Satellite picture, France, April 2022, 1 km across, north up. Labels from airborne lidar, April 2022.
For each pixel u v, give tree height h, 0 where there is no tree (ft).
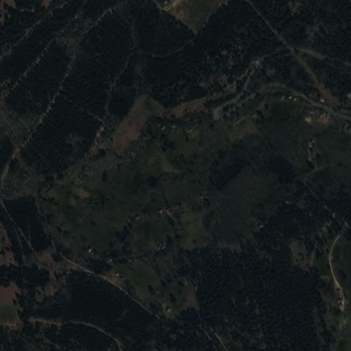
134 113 0
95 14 73
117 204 0
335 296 0
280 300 92
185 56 70
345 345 0
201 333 100
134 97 67
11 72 52
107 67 95
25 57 48
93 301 31
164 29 48
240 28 107
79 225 0
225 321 71
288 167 115
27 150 49
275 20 70
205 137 67
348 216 89
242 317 67
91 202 35
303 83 24
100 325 31
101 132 0
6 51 28
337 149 56
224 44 34
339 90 56
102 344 28
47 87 71
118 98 68
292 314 100
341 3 91
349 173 67
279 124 52
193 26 0
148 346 31
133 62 69
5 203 54
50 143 52
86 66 79
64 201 0
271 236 82
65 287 21
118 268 0
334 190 72
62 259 70
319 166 69
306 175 73
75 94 81
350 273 0
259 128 23
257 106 47
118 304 28
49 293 34
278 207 0
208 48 101
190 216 0
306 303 100
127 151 23
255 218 77
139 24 64
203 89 52
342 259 0
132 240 0
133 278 0
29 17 81
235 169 85
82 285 38
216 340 93
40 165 67
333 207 97
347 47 76
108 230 0
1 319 0
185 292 0
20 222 60
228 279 94
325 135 62
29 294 48
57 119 51
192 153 0
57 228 0
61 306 39
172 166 0
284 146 68
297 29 48
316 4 131
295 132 45
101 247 0
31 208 63
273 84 0
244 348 33
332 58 41
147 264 41
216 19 90
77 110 46
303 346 106
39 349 32
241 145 53
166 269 65
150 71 80
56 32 52
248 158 65
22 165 39
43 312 31
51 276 0
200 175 54
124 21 78
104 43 84
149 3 53
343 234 90
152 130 37
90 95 78
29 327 28
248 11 89
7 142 65
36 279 58
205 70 111
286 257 104
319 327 90
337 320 21
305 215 91
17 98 59
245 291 86
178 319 49
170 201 0
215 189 68
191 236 0
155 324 36
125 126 0
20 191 52
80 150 62
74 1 41
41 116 66
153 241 0
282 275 91
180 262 81
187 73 27
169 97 49
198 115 21
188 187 0
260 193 77
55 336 29
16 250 63
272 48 73
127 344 30
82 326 23
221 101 44
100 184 0
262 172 97
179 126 51
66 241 63
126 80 56
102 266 93
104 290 30
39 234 61
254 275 93
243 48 29
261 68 65
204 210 58
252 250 80
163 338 45
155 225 0
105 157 78
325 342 91
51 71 74
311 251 104
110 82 58
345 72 68
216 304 87
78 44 66
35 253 46
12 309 0
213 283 89
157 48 52
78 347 19
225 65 100
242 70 58
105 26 81
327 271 0
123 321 31
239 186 50
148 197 93
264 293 86
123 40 64
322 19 124
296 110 0
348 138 0
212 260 103
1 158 59
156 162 0
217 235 81
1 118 71
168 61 66
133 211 39
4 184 31
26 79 54
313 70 65
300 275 99
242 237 72
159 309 55
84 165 52
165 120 65
